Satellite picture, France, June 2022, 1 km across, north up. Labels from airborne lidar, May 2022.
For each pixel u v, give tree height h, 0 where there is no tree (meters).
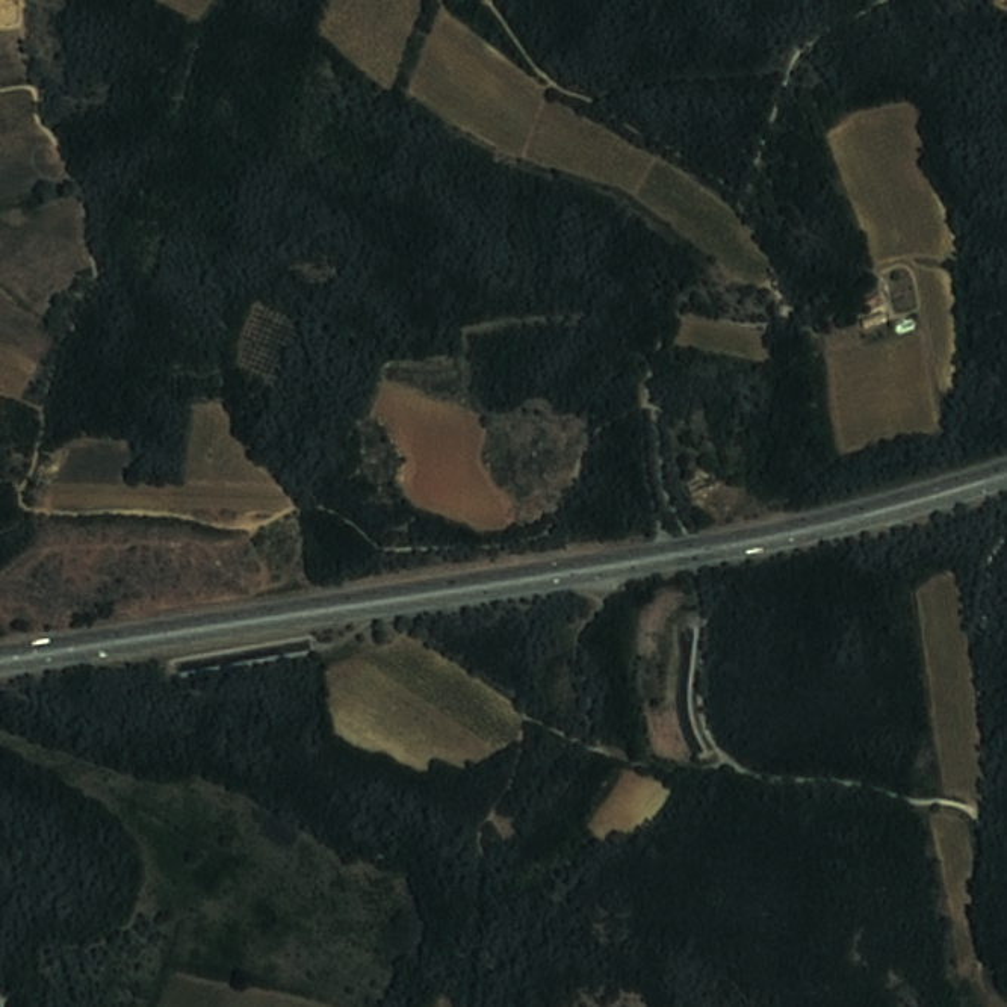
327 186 10
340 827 15
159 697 12
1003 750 19
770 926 7
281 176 17
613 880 8
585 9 15
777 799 14
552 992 7
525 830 14
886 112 0
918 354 0
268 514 0
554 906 19
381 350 17
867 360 0
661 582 8
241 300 19
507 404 11
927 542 7
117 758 16
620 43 20
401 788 7
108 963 11
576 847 8
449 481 0
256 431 18
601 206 13
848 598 16
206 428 0
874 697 8
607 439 12
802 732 9
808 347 15
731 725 5
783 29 18
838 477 21
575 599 19
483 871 6
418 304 11
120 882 13
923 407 0
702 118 14
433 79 0
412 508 8
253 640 0
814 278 10
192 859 11
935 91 10
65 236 0
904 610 8
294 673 12
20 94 0
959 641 0
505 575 0
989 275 13
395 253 12
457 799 8
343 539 9
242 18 9
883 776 12
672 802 7
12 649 0
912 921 6
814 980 7
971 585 12
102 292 15
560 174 19
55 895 16
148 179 7
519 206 11
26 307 0
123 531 0
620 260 13
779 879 9
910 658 8
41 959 20
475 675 14
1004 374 8
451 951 14
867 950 6
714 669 5
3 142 0
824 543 13
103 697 13
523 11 16
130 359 12
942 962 9
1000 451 14
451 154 19
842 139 0
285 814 20
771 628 6
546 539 13
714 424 9
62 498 0
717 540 0
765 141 10
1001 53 12
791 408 14
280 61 7
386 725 0
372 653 0
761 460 13
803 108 11
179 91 17
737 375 10
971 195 8
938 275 0
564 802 9
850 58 15
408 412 0
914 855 7
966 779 0
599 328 19
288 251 14
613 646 14
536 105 0
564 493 11
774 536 0
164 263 13
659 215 0
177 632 0
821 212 15
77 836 17
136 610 16
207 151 8
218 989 0
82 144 14
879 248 0
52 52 18
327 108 12
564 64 19
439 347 16
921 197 0
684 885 8
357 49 0
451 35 0
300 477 22
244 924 0
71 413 13
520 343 7
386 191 17
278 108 9
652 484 15
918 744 8
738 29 21
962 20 9
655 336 16
